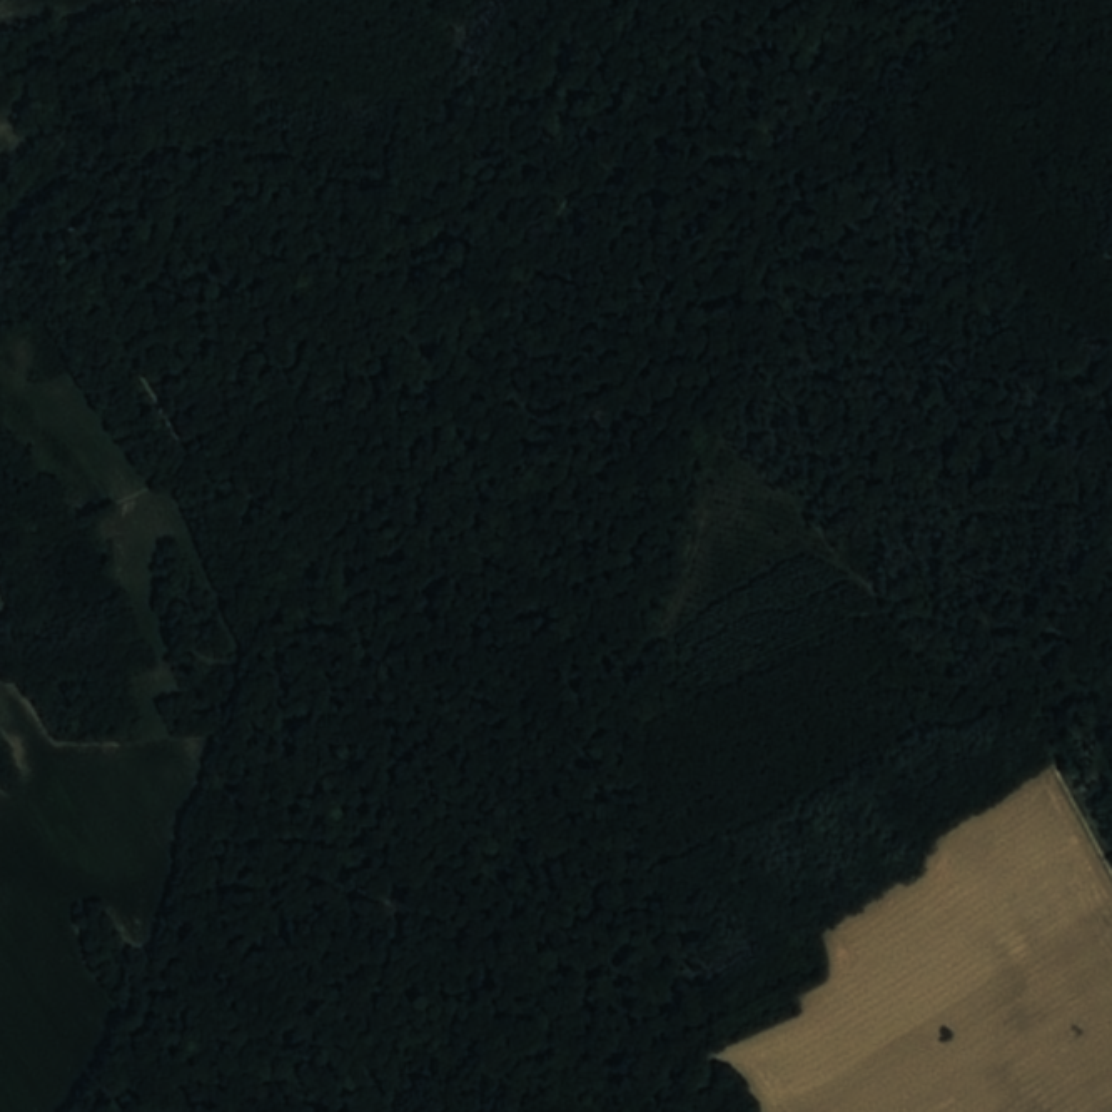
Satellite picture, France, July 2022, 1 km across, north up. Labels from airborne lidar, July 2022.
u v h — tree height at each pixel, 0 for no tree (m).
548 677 28
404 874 30
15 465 28
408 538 28
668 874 21
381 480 28
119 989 22
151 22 19
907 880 18
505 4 24
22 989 0
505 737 23
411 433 27
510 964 29
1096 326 19
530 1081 28
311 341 29
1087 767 31
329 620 28
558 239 30
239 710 26
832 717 14
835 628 7
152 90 24
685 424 27
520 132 26
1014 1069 0
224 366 29
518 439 27
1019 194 15
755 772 17
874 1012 0
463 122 32
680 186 31
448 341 32
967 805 24
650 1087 29
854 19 28
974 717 16
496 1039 27
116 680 23
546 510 27
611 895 23
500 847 25
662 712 11
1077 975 0
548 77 26
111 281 27
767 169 28
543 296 30
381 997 27
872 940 0
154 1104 31
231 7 20
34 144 21
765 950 23
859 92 24
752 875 20
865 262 32
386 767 24
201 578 10
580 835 27
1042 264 17
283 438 27
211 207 28
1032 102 18
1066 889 0
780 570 10
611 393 29
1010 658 28
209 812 21
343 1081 31
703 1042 13
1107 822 25
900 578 13
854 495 28
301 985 26
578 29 30
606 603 29
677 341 26
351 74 25
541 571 29
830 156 31
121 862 0
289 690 27
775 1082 0
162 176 22
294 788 24
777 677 13
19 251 20
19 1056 0
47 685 19
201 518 22
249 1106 28
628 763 18
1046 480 27
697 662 9
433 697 26
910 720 11
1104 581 30
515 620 27
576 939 19
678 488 24
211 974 27
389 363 30
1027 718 26
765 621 12
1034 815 0
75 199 22
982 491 32
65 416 0
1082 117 18
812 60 25
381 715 26
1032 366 23
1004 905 0
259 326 28
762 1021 6
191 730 18
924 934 0
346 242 26
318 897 29
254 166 23
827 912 21
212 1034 28
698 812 13
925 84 17
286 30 23
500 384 29
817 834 22
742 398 27
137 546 0
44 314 29
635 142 29
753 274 29
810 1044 0
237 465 23
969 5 12
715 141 29
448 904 29
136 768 0
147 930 0
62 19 17
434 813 26
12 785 21
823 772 14
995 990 0
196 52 25
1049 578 27
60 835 0
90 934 17
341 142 18
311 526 24
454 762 26
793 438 27
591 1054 27
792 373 22
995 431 24
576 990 27
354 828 27
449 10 25
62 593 21
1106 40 25
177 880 16
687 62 25
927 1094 0
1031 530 6
